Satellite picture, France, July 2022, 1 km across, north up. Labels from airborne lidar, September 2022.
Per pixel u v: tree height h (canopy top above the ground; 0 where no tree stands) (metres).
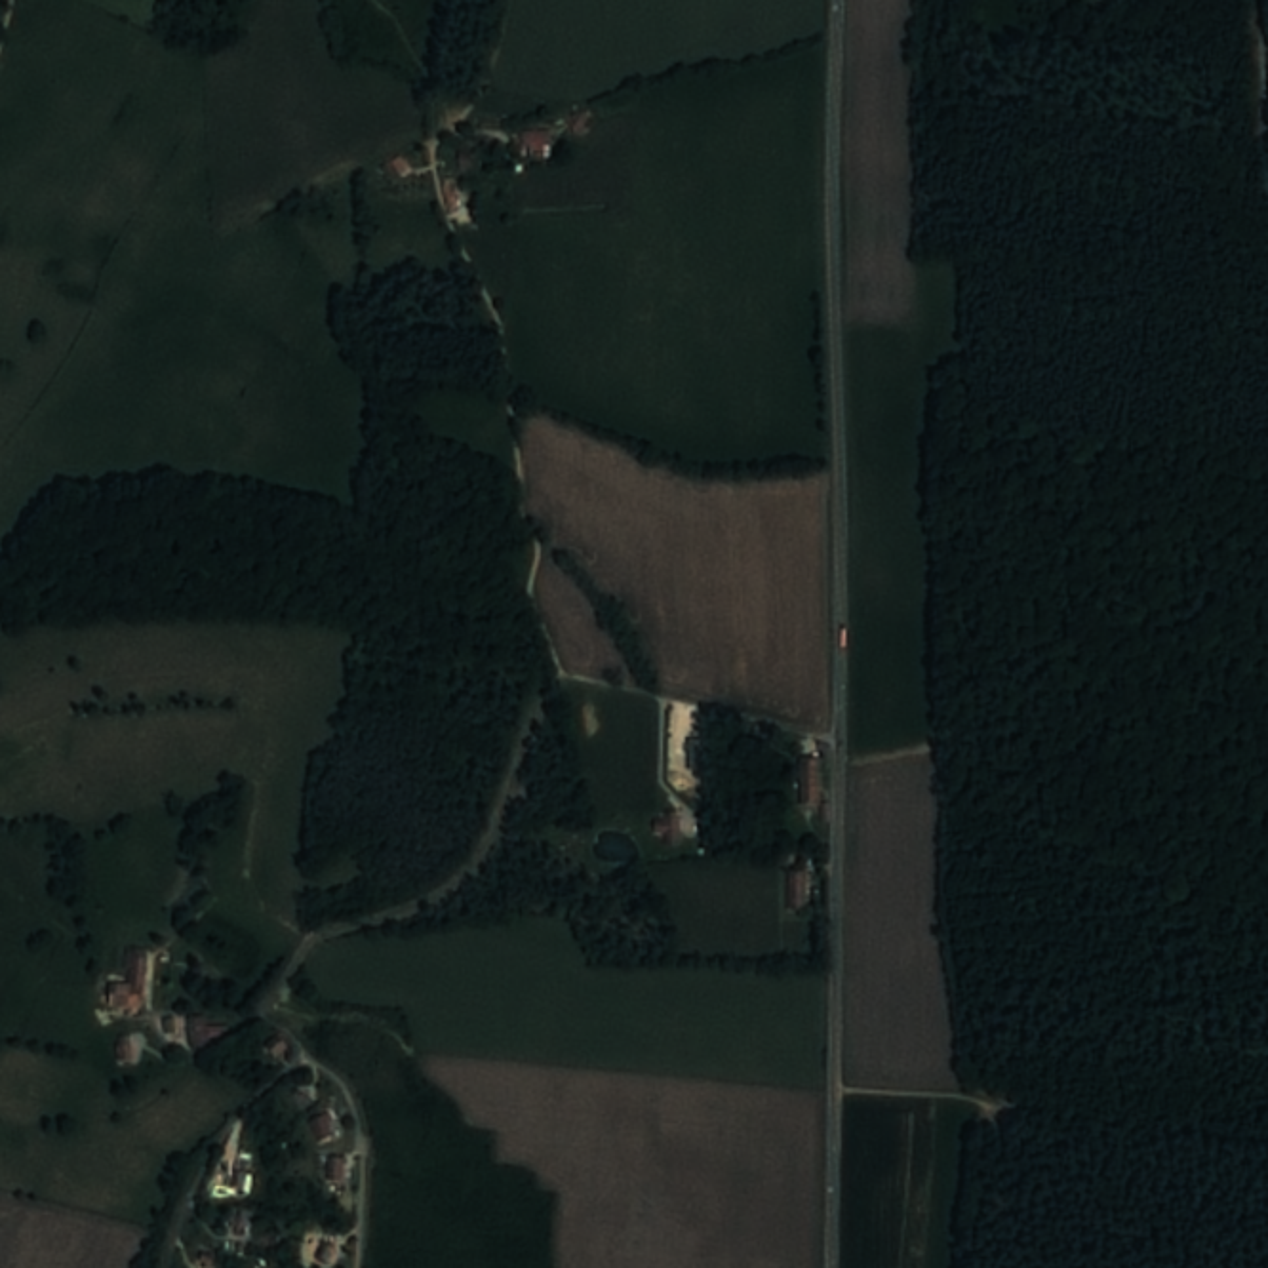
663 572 0
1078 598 23
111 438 0
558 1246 0
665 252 0
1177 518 20
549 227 0
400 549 20
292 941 0
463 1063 0
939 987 0
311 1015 0
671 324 0
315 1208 8
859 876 0
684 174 0
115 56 0
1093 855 23
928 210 12
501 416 0
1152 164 26
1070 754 18
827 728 0
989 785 18
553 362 0
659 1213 0
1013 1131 30
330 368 0
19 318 0
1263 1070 14
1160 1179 34
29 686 0
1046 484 24
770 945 0
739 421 0
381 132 0
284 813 0
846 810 0
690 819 0
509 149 8
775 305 0
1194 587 29
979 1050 17
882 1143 0
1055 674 21
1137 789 17
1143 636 19
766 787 12
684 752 0
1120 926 18
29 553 25
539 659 16
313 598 20
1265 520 25
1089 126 26
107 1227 0
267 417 0
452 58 34
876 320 0
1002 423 22
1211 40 27
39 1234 0
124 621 21
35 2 0
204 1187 0
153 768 0
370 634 18
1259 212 26
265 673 0
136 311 0
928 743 0
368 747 20
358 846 20
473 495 16
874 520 0
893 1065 0
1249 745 21
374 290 15
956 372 20
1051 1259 33
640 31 0
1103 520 20
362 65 7
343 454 0
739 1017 0
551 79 0
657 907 24
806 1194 0
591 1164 0
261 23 0
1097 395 26
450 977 0
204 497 28
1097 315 24
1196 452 24
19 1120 0
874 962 0
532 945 0
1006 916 19
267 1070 11
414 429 19
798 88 0
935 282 0
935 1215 0
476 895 20
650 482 0
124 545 25
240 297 0
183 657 0
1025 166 23
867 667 0
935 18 12
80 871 25
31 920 0
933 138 21
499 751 21
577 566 17
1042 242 26
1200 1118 17
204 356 0
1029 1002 26
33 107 0
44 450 0
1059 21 22
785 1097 0
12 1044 11
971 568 18
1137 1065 21
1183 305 27
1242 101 23
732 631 0
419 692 21
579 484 0
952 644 24
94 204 0
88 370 0
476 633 23
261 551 23
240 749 0
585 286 0
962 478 28
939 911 12
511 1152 0
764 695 0
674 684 0
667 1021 0
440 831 18
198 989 25
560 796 21
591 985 0
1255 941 13
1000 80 37
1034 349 22
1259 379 25
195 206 0
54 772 0
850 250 0
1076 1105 16
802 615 0
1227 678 22
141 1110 0
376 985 0
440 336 25
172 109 0
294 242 0
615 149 0
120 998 0
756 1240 0
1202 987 18
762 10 0
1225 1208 27
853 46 0
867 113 0
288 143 0
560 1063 0
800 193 0
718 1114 0
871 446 0
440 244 0
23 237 0
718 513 0
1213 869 18
